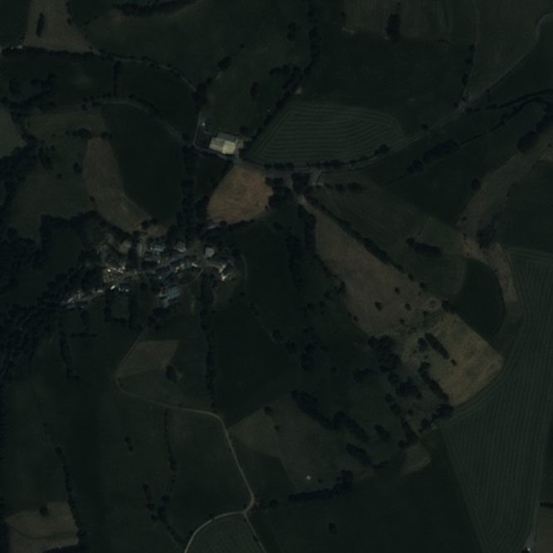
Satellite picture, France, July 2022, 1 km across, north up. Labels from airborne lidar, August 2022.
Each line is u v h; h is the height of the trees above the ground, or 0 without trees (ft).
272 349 0
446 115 0
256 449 0
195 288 0
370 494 0
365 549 0
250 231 0
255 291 0
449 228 0
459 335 0
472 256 0
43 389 0
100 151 0
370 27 0
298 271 63
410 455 0
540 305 0
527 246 0
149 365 0
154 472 0
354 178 0
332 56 0
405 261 0
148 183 0
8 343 20
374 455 0
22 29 0
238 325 0
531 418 0
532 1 0
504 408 0
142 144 0
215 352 32
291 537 0
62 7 0
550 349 0
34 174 0
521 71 0
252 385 0
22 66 0
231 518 0
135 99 38
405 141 0
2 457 47
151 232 0
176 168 0
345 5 0
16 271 31
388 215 0
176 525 0
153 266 41
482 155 0
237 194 0
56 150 25
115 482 0
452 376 0
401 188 0
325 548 0
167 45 0
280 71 51
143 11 52
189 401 0
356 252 0
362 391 0
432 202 0
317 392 0
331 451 0
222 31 0
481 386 0
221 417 0
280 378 0
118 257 22
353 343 0
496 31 0
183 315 0
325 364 0
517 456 0
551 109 51
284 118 0
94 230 0
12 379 48
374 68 0
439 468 0
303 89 0
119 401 0
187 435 0
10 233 40
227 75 0
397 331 0
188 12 0
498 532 0
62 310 40
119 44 0
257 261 0
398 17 23
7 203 38
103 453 0
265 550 0
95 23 0
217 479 0
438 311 0
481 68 0
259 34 0
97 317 0
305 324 0
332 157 0
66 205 0
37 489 0
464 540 0
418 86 0
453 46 0
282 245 0
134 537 0
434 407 0
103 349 0
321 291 0
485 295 0
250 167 0
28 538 0
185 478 0
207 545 0
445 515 0
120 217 0
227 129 0
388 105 0
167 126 0
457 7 0
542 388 0
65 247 0
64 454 45
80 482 0
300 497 59
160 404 0
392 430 0
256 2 0
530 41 0
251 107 0
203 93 47
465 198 0
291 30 35
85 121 0
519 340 0
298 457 0
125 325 52
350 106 0
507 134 0
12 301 0
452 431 0
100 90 0
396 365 35
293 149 0
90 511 0
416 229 0
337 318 0
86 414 0
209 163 0
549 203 0
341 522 0
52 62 0
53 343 0
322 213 43
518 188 0
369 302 0
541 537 0
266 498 0
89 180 0
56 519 0
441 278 0
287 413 0
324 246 0
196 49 0
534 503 0
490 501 0
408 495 0
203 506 0
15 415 0
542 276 0
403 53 0
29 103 62
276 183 44
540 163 0
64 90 0
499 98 0
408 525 0
